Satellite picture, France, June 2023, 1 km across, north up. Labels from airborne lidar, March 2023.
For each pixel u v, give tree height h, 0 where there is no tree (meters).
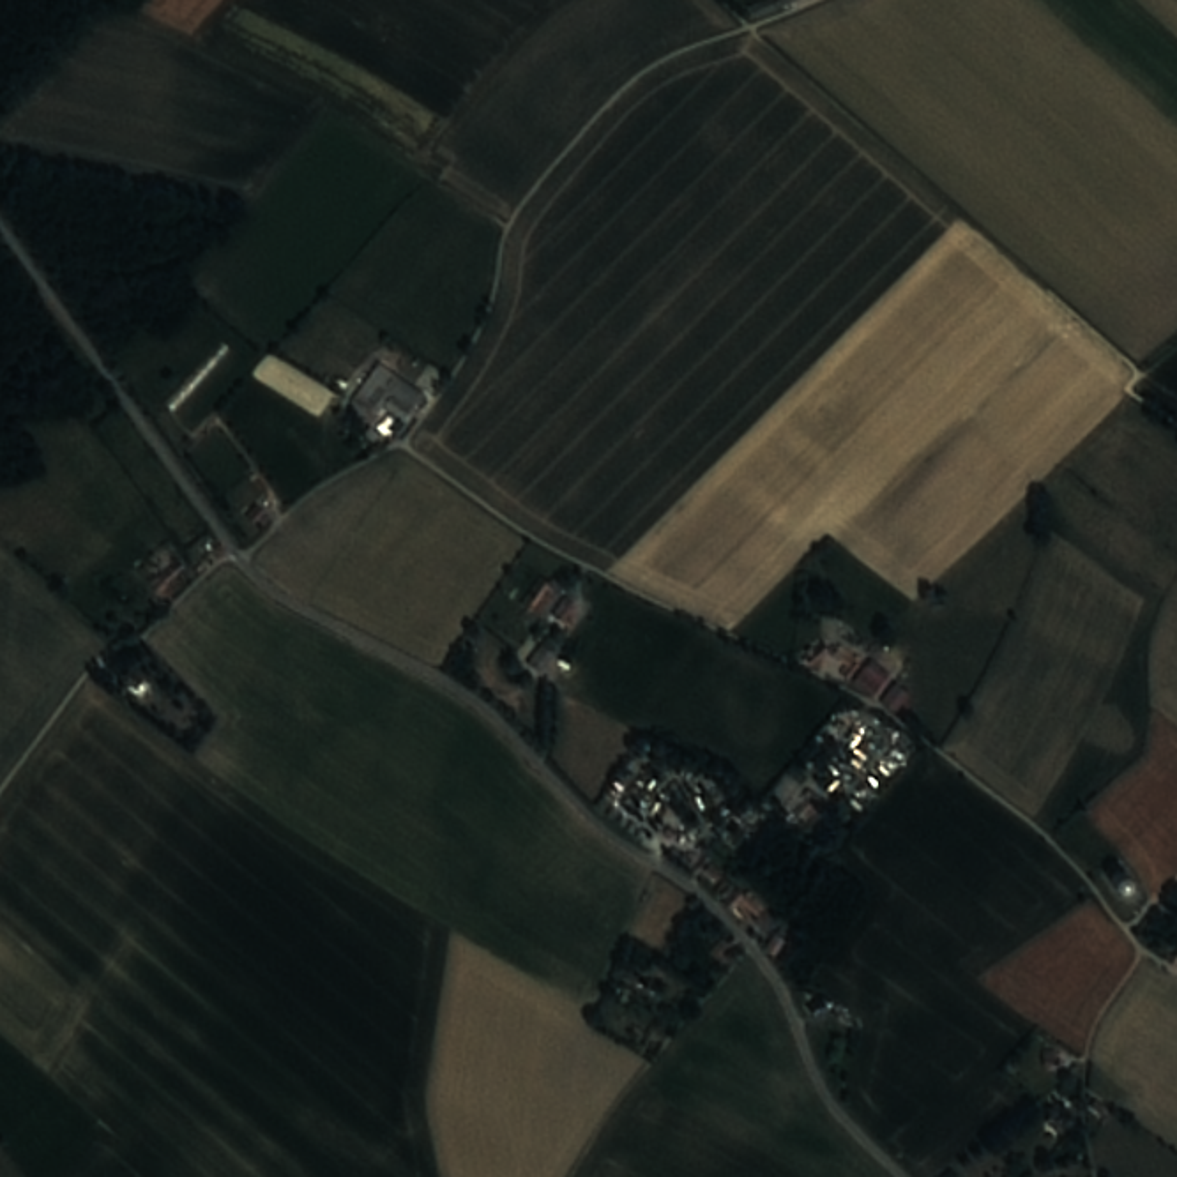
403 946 0
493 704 10
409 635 0
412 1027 0
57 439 0
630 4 0
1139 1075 0
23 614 0
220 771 0
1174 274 0
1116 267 0
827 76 0
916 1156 0
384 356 0
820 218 0
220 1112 0
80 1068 0
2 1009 0
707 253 0
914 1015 0
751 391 0
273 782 0
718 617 0
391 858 0
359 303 0
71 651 0
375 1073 0
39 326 18
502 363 0
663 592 0
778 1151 0
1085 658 0
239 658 0
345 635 0
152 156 0
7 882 0
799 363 0
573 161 0
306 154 0
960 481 0
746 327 0
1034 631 0
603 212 0
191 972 0
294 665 0
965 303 0
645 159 0
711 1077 0
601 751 0
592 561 0
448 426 0
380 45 0
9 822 0
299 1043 0
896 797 0
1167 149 0
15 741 0
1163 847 0
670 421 0
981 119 0
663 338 0
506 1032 0
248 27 0
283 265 0
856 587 0
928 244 0
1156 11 0
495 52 0
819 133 0
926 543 0
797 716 0
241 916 0
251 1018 0
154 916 0
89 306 17
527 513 0
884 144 0
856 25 0
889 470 0
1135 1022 0
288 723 0
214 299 0
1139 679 0
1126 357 0
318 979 0
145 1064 0
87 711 0
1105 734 0
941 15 0
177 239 25
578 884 0
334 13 0
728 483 0
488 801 0
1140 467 0
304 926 0
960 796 0
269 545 0
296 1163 0
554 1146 0
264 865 0
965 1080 0
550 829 0
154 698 0
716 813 12
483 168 0
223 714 0
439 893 0
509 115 0
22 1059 0
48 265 11
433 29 0
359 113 0
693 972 12
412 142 0
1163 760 0
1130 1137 0
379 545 0
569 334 0
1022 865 0
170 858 0
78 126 0
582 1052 0
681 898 0
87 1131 0
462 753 0
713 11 0
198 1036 0
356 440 8
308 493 0
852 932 0
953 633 0
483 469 0
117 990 0
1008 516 0
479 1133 0
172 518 0
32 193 20
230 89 0
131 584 0
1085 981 0
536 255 0
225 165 0
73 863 0
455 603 0
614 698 0
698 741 0
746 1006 0
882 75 0
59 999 0
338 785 0
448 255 0
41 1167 0
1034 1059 0
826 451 0
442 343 0
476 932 0
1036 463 0
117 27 0
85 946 0
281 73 0
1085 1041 0
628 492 0
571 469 0
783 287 0
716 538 0
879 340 0
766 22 0
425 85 0
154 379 0
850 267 0
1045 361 0
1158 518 0
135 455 0
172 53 0
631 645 0
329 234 0
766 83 0
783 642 0
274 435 0
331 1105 0
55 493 0
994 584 0
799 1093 0
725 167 0
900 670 0
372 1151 0
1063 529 0
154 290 22
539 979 0
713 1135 0
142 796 0
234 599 0
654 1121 0
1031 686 0
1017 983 0
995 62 0
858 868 0
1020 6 0
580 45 0
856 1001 0
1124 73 0
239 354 0
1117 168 0
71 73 0
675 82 0
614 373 0
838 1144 0
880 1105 0
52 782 0
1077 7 0
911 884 0
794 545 0
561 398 0
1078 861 0
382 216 0
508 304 0
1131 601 0
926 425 0
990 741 0
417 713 0
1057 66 0
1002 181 0
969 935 0
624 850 0
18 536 0
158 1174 0
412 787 0
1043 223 0
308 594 0
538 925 0
